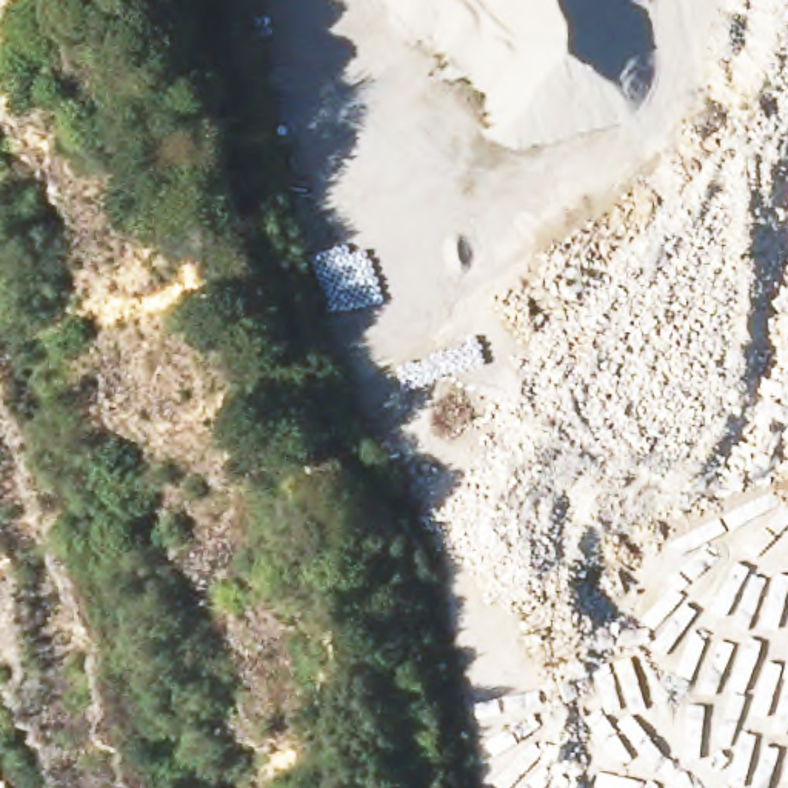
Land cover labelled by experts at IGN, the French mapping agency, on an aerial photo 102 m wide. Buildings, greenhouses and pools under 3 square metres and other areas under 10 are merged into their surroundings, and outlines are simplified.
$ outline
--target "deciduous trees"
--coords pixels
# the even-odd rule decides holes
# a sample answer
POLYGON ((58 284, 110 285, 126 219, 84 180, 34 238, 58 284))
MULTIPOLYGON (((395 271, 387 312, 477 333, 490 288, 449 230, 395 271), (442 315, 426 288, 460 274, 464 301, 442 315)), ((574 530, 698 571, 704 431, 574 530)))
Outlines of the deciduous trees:
POLYGON ((286 200, 296 197, 292 154, 299 151, 299 139, 277 135, 280 92, 271 83, 271 55, 277 52, 277 43, 271 34, 262 34, 259 28, 259 18, 268 12, 268 0, 0 0, 0 92, 9 99, 9 111, 15 117, 34 108, 43 111, 43 132, 55 129, 55 157, 68 160, 77 175, 108 172, 105 215, 129 243, 154 246, 179 265, 197 265, 200 286, 185 292, 175 305, 169 305, 166 326, 182 332, 191 348, 222 354, 222 369, 228 372, 231 397, 215 412, 215 419, 206 419, 206 428, 212 431, 215 446, 228 452, 228 477, 243 480, 249 486, 262 489, 265 496, 277 496, 280 480, 292 477, 296 499, 286 502, 280 511, 286 517, 286 526, 280 529, 277 545, 265 551, 271 585, 283 600, 302 603, 311 622, 326 622, 332 628, 336 674, 317 693, 308 693, 299 708, 305 714, 305 723, 314 723, 320 736, 320 788, 493 788, 486 785, 480 726, 474 717, 477 702, 474 686, 468 680, 468 665, 474 662, 474 653, 456 643, 462 600, 452 594, 456 563, 446 551, 446 529, 434 520, 434 511, 412 493, 406 459, 385 459, 385 452, 379 449, 385 434, 397 428, 391 422, 391 409, 385 409, 379 400, 357 400, 357 363, 342 372, 332 363, 336 354, 345 351, 345 345, 332 332, 332 311, 323 280, 317 274, 317 259, 305 259, 305 240, 299 234, 299 225, 292 219, 280 219, 286 212, 286 200))
POLYGON ((169 483, 188 489, 194 499, 206 499, 206 477, 182 468, 172 459, 142 452, 135 440, 114 434, 86 462, 83 483, 65 480, 62 499, 71 505, 71 514, 58 520, 52 533, 62 536, 65 545, 65 566, 74 582, 74 597, 80 603, 80 622, 89 634, 99 637, 99 674, 117 671, 129 680, 129 696, 135 702, 132 723, 145 733, 142 745, 135 748, 139 763, 132 766, 132 773, 157 788, 237 788, 243 776, 255 766, 255 754, 234 739, 228 726, 240 690, 243 656, 228 646, 228 631, 219 622, 209 613, 191 637, 179 628, 179 582, 185 576, 185 569, 175 566, 166 554, 163 545, 151 539, 157 514, 169 483))
POLYGON ((12 726, 0 730, 0 788, 43 788, 40 760, 34 748, 28 748, 25 733, 12 726))
POLYGON ((6 283, 15 286, 18 311, 34 317, 40 326, 62 323, 65 311, 74 289, 74 274, 83 268, 83 262, 71 255, 71 228, 65 228, 58 209, 49 203, 46 182, 34 179, 28 163, 22 163, 9 151, 0 126, 0 289, 6 283))

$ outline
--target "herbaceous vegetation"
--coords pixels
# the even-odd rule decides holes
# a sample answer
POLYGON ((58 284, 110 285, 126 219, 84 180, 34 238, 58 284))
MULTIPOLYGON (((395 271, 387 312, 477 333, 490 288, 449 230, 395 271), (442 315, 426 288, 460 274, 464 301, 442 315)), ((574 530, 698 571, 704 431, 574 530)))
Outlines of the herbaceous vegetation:
POLYGON ((151 539, 163 545, 166 554, 179 545, 179 526, 175 520, 157 514, 151 539))
POLYGON ((265 496, 262 489, 249 486, 243 489, 249 542, 246 548, 234 551, 228 579, 212 585, 212 609, 200 606, 203 591, 197 591, 194 582, 185 576, 179 582, 179 628, 191 637, 209 613, 219 622, 252 606, 271 606, 274 619, 283 625, 283 634, 289 634, 289 659, 296 662, 296 680, 286 683, 286 730, 280 736, 292 745, 296 763, 274 776, 268 785, 259 782, 255 766, 243 776, 237 788, 320 788, 320 736, 314 723, 305 723, 305 714, 299 708, 308 693, 317 693, 336 674, 332 628, 326 622, 311 622, 302 603, 283 600, 271 585, 265 551, 277 545, 280 529, 286 526, 286 517, 280 511, 286 502, 296 499, 292 477, 280 480, 277 496, 265 496))
POLYGON ((95 400, 99 382, 83 376, 74 385, 68 376, 71 360, 89 351, 92 339, 83 336, 83 323, 89 317, 74 317, 65 311, 62 323, 40 326, 34 317, 18 311, 15 286, 6 283, 0 289, 0 385, 6 409, 18 422, 22 434, 34 443, 34 459, 28 462, 28 486, 34 489, 40 511, 49 511, 58 520, 71 514, 71 505, 62 499, 65 480, 83 483, 86 462, 114 434, 105 428, 102 416, 89 416, 89 403, 95 400))
POLYGON ((123 751, 123 782, 129 788, 157 788, 132 773, 132 766, 139 763, 135 748, 142 745, 145 733, 132 723, 135 702, 129 696, 129 680, 117 671, 99 674, 99 736, 123 751))

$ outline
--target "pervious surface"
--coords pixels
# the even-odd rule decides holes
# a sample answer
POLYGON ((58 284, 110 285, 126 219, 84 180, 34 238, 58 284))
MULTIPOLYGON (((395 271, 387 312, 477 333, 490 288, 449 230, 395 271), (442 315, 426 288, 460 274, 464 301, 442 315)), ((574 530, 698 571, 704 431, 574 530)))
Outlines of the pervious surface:
POLYGON ((34 748, 40 760, 43 788, 129 788, 123 782, 123 751, 99 736, 99 674, 99 637, 89 634, 80 622, 80 603, 74 597, 74 582, 65 566, 65 545, 62 536, 52 533, 58 520, 49 511, 40 511, 34 489, 28 486, 28 462, 34 459, 34 443, 22 434, 18 422, 6 409, 0 385, 0 730, 12 726, 25 733, 28 748, 34 748))
POLYGON ((283 634, 283 625, 274 619, 271 606, 252 606, 219 622, 228 631, 228 646, 243 656, 240 690, 228 726, 234 739, 255 754, 255 766, 259 782, 268 785, 274 776, 296 763, 292 745, 280 736, 286 730, 286 683, 296 680, 296 662, 289 659, 289 634, 283 634))
POLYGON ((385 409, 391 409, 391 422, 397 428, 385 434, 379 449, 385 452, 385 459, 406 459, 412 493, 434 511, 434 520, 446 529, 446 551, 456 563, 452 594, 462 600, 456 643, 474 653, 474 662, 468 665, 468 680, 474 686, 477 702, 474 717, 480 726, 486 785, 493 788, 788 788, 788 0, 268 0, 268 12, 259 18, 259 28, 262 34, 271 34, 277 43, 277 52, 271 55, 271 83, 280 92, 277 135, 299 139, 299 151, 292 154, 296 197, 286 200, 286 212, 280 219, 292 219, 299 225, 299 234, 305 240, 305 259, 317 259, 317 274, 323 280, 332 311, 332 332, 345 345, 345 351, 336 354, 332 363, 342 372, 357 363, 357 400, 379 400, 385 409))
POLYGON ((154 246, 129 243, 105 215, 108 172, 77 175, 68 160, 55 157, 55 129, 43 132, 43 111, 34 108, 15 117, 9 111, 9 99, 0 92, 0 126, 9 151, 22 163, 28 163, 34 179, 46 182, 49 203, 58 209, 65 228, 71 228, 71 255, 83 262, 83 268, 74 274, 74 289, 65 311, 74 317, 89 317, 83 323, 83 336, 92 339, 89 351, 71 360, 68 376, 74 385, 83 376, 99 382, 95 400, 89 403, 89 416, 102 416, 105 428, 114 434, 135 440, 142 452, 172 459, 182 468, 206 477, 206 499, 194 499, 188 489, 169 483, 157 514, 175 520, 179 526, 179 545, 166 554, 175 566, 185 569, 185 576, 194 582, 197 591, 203 591, 200 606, 212 609, 212 585, 228 579, 234 551, 246 548, 249 542, 243 489, 249 486, 243 480, 228 477, 228 452, 215 446, 212 431, 206 428, 206 419, 215 419, 215 412, 231 397, 228 372, 222 369, 222 354, 191 348, 182 332, 166 326, 169 305, 175 305, 185 292, 200 286, 197 265, 179 265, 154 246))

